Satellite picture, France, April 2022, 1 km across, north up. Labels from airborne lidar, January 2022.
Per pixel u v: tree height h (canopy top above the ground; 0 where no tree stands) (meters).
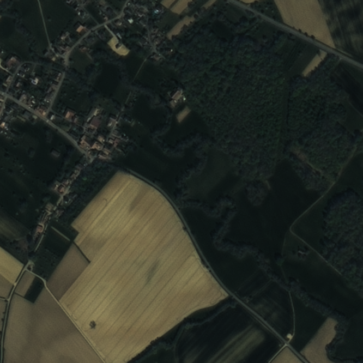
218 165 0
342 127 9
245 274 0
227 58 34
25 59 0
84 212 0
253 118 22
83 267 0
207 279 0
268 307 0
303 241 0
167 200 0
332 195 0
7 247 0
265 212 0
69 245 0
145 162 0
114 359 0
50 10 0
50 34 0
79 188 14
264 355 0
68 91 0
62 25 0
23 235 0
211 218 0
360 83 0
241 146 33
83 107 0
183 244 0
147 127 0
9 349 0
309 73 0
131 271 0
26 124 0
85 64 0
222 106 21
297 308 0
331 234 18
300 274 0
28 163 0
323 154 37
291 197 0
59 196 0
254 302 0
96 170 12
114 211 0
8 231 0
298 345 0
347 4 0
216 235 19
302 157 34
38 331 0
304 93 20
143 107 0
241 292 0
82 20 0
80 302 0
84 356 0
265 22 0
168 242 0
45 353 0
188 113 0
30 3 0
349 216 33
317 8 0
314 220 0
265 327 0
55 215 13
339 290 0
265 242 0
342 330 18
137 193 0
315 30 0
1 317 0
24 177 0
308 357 0
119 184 0
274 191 0
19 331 0
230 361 0
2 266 0
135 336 0
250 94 26
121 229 0
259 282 0
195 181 0
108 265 0
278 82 25
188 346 0
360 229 37
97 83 0
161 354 0
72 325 0
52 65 7
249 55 33
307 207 0
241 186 0
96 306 0
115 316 0
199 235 0
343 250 33
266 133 24
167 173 0
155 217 0
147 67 0
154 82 0
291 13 0
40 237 9
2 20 0
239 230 0
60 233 0
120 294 0
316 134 35
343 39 0
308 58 0
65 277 0
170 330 0
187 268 0
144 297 0
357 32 0
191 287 0
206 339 0
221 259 0
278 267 0
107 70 0
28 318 0
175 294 0
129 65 0
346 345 0
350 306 0
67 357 0
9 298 0
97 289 0
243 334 0
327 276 0
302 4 0
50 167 0
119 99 0
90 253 0
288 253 0
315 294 0
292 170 0
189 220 0
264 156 30
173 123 0
